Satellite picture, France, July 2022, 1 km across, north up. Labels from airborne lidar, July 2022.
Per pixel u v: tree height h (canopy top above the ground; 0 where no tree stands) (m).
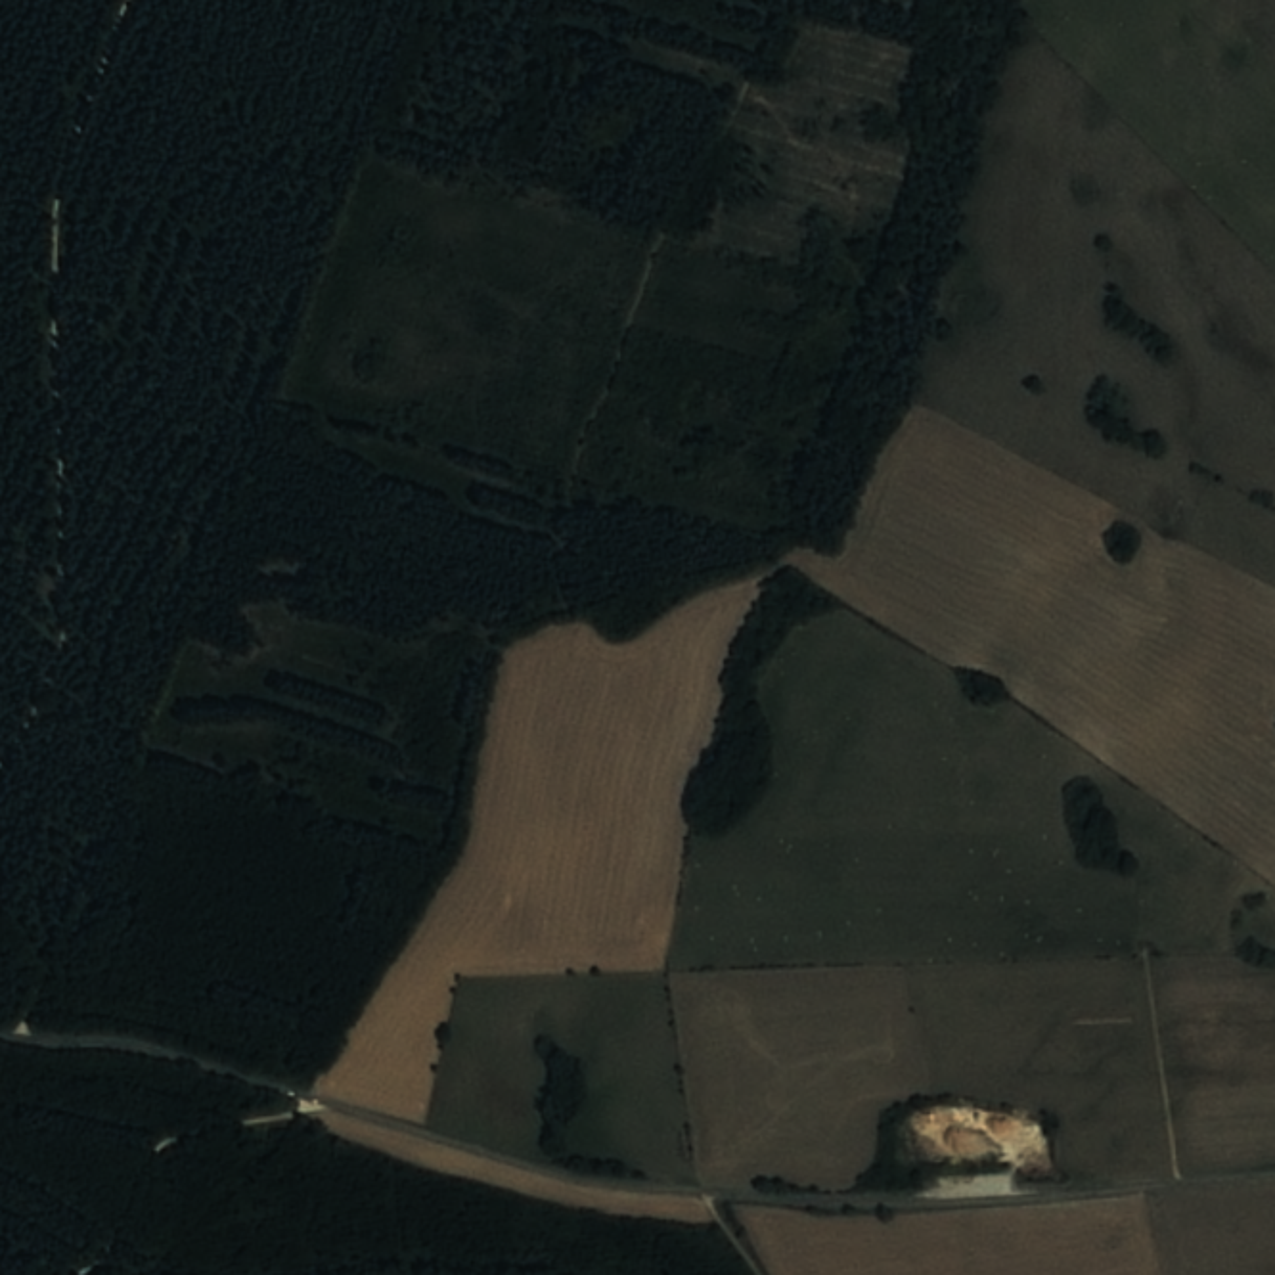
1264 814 0
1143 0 0
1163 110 0
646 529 19
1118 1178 0
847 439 26
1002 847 0
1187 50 0
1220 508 0
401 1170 11
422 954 0
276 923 15
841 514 26
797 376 11
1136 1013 0
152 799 16
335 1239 7
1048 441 0
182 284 17
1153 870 0
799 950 0
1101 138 0
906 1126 0
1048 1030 0
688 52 19
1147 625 0
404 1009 0
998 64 19
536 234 0
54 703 23
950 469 0
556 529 15
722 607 0
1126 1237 0
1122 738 0
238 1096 13
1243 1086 0
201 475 24
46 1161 13
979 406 0
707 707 0
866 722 0
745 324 6
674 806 0
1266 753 0
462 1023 0
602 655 0
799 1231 0
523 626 10
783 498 16
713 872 0
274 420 25
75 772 25
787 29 18
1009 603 0
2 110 23
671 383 10
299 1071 12
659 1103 0
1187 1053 0
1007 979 0
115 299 23
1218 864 0
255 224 22
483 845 0
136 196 22
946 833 0
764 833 0
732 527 6
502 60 22
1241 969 0
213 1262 7
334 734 24
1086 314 0
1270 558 0
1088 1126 0
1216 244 0
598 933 0
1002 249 0
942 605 0
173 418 17
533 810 0
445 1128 0
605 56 23
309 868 16
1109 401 18
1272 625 0
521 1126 0
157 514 23
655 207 20
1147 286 0
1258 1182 0
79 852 26
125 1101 14
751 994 0
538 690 0
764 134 0
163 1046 16
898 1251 0
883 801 0
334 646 0
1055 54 0
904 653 0
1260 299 0
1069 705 0
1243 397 0
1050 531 0
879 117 11
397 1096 0
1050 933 0
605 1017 0
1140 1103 0
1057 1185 0
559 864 0
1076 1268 0
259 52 20
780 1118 0
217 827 16
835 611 11
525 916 0
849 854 0
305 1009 14
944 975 0
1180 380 0
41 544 25
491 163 21
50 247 20
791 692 0
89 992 14
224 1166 12
